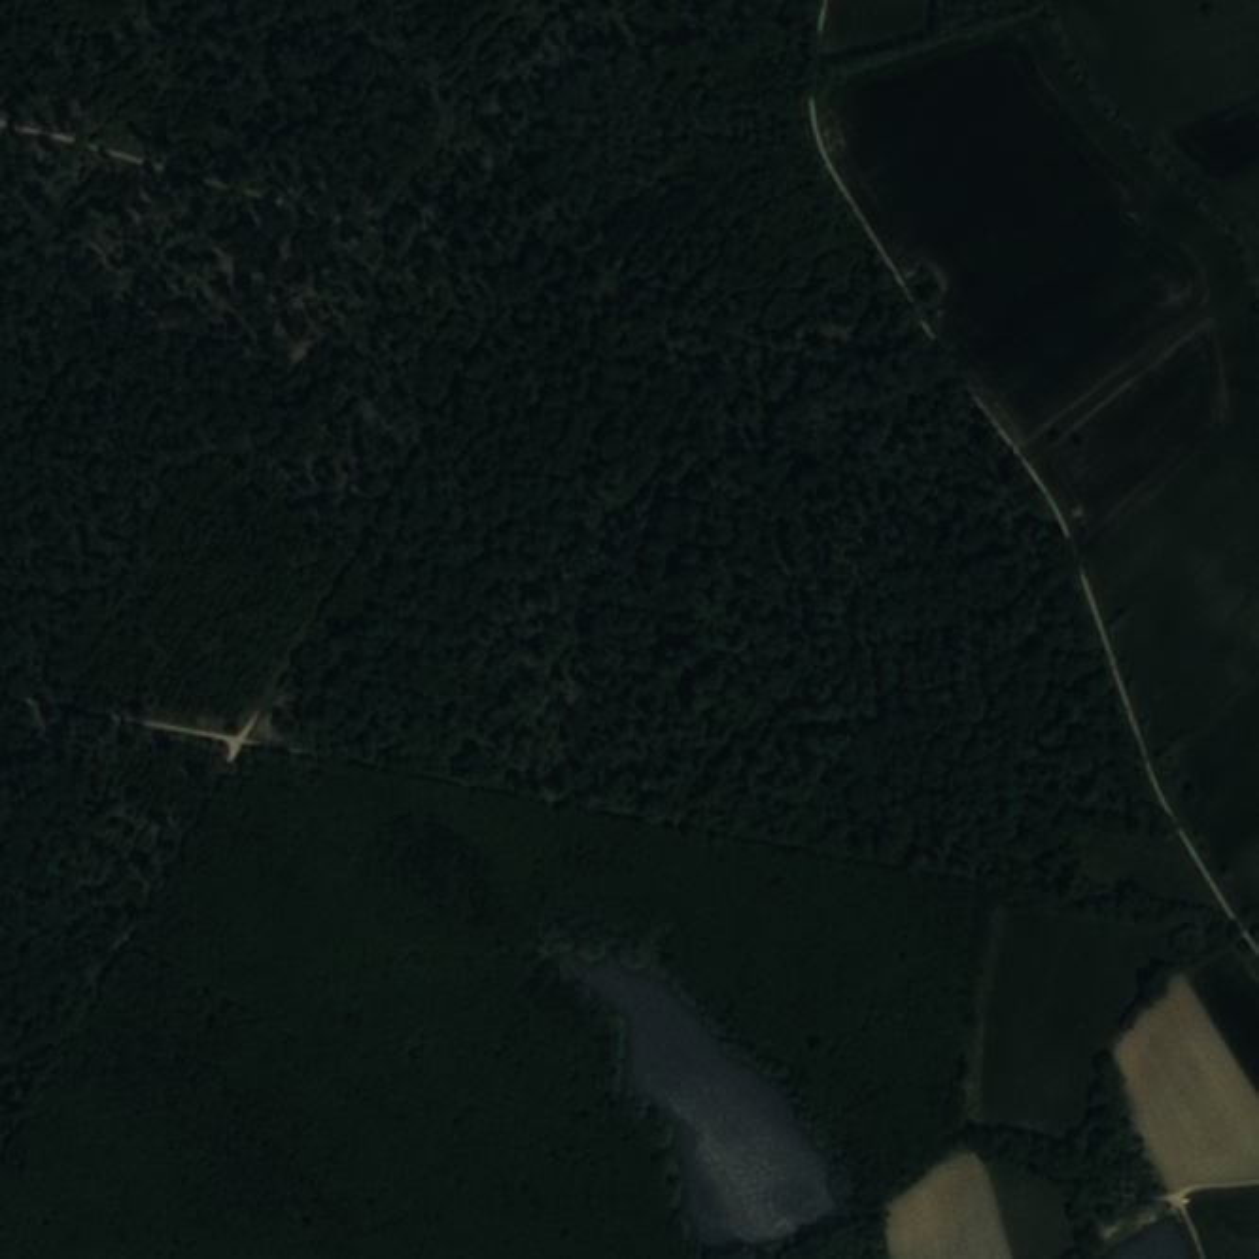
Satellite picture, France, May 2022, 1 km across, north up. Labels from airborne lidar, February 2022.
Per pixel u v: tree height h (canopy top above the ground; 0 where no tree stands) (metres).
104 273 28
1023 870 25
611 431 24
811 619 30
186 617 7
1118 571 0
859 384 31
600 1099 11
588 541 26
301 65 32
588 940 13
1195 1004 0
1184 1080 0
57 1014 21
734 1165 0
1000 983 0
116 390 16
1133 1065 0
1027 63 0
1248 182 0
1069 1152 20
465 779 20
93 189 9
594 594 25
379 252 8
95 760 21
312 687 25
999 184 0
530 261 27
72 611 22
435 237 6
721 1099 0
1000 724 24
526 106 29
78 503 22
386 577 25
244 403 26
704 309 26
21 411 12
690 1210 0
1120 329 0
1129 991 0
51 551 22
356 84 33
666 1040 0
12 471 22
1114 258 0
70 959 23
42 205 27
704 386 29
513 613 27
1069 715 25
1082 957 0
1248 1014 0
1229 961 0
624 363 24
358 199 29
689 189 18
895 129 0
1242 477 0
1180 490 0
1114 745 28
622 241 18
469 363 26
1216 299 0
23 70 21
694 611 29
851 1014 11
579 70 29
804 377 27
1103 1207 16
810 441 30
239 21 19
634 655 29
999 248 0
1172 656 0
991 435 28
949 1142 14
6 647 23
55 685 23
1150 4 0
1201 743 0
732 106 8
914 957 12
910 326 23
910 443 34
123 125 0
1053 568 31
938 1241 0
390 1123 13
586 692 31
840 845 22
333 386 23
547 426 25
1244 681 0
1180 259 0
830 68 16
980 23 16
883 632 25
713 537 27
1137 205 0
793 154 10
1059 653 28
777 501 30
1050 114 0
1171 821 15
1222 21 0
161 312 27
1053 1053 0
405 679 25
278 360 25
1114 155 0
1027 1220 0
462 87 6
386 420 24
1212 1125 0
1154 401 0
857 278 7
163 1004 10
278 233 28
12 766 27
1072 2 0
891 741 28
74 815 25
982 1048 0
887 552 31
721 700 30
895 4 0
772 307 8
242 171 31
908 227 0
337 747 23
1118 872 0
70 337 22
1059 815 29
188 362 20
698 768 21
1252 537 0
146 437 16
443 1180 13
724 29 23
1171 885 0
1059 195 0
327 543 24
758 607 17
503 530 25
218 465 6
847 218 8
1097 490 0
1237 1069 0
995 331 0
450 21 6
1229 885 0
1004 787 29
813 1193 0
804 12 14
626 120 29
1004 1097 0
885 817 29
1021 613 31
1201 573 0
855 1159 16
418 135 31
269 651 6
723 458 31
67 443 24
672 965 10
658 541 30
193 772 19
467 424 26
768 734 14
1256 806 0
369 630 26
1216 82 0
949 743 25
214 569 6
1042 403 0
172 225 0
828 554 35
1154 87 0
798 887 12
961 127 0
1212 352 0
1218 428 0
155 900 10
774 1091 0
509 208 17
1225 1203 0
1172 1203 0
